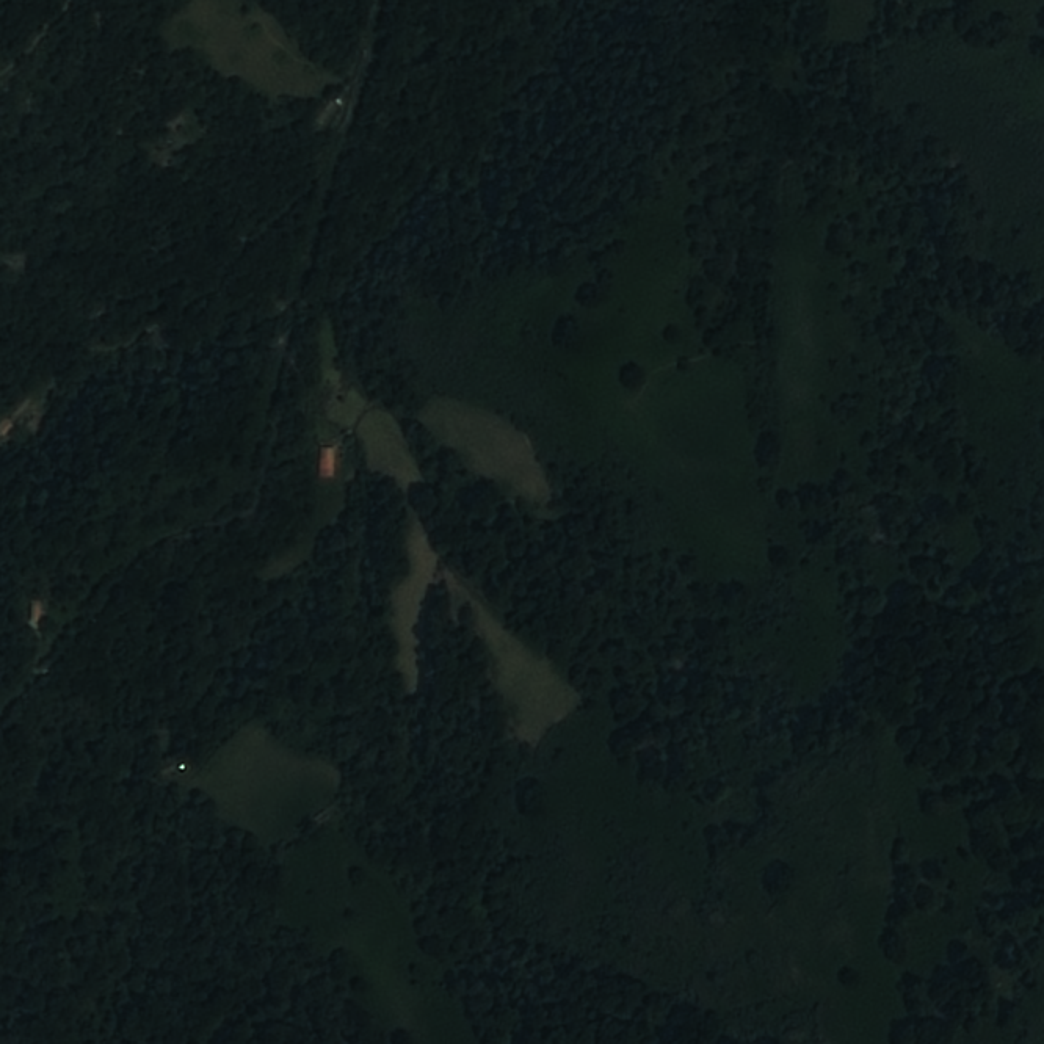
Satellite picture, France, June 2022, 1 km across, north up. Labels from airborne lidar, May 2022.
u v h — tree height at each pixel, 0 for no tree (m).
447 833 28
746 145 24
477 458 0
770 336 15
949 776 15
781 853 0
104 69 15
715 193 17
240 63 0
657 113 27
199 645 20
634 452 0
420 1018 0
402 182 24
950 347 19
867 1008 0
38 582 8
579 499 14
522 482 0
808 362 0
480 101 25
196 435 30
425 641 26
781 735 17
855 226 11
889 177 14
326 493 0
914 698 8
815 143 11
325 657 17
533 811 20
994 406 0
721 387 0
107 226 16
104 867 9
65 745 8
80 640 15
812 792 0
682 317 0
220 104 23
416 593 0
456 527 35
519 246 28
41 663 7
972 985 29
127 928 26
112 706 15
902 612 33
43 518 29
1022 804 27
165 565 19
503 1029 24
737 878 0
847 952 0
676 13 25
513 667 0
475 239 16
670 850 0
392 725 20
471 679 17
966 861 18
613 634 10
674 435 0
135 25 13
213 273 17
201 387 38
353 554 26
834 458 0
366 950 0
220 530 12
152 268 17
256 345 18
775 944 0
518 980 30
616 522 10
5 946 26
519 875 6
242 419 14
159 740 12
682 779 23
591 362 0
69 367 26
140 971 27
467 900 30
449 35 27
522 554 12
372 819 22
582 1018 27
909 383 14
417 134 20
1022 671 19
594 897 0
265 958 22
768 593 7
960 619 31
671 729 35
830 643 0
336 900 0
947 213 25
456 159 24
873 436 16
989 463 10
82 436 41
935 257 17
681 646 23
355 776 24
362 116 17
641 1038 21
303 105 18
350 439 8
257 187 20
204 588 12
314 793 0
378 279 11
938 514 27
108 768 25
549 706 0
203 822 20
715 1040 15
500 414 9
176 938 25
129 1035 27
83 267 17
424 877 21
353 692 23
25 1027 30
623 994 32
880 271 0
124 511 17
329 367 0
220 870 16
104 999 11
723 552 0
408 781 12
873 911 0
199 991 26
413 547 0
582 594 25
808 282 0
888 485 26
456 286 13
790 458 0
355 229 15
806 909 0
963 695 26
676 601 17
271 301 23
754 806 0
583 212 19
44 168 26
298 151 20
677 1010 19
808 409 0
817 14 21
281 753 0
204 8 0
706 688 35
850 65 24
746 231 19
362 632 19
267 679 31
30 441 9
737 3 31
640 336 0
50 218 11
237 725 6
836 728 19
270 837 0
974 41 14
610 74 24
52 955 19
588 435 0
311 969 15
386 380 10
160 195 14
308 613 9
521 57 22
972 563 0
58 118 14
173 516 22
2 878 22
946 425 20
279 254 21
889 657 28
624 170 25
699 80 25
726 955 0
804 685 0
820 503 24
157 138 18
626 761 13
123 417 48
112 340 15
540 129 9
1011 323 34
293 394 16
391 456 0
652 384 0
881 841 0
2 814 27
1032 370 0
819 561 0
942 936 0
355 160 18
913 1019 10
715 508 0
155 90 13
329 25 10
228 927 16
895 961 16
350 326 15
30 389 22
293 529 19
